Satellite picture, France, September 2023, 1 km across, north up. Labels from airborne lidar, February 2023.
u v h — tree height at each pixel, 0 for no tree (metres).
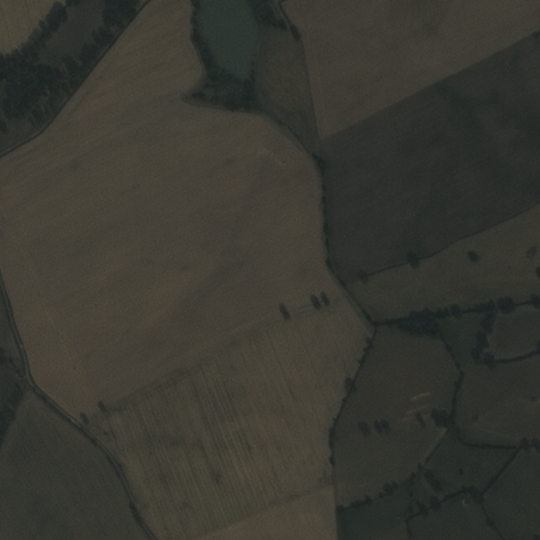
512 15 0
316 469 0
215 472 0
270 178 0
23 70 18
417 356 0
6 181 0
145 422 0
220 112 0
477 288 0
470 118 0
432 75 0
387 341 0
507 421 0
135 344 0
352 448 0
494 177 0
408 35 0
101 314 0
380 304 0
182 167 0
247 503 0
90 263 0
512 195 0
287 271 0
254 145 0
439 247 0
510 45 0
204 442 0
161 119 0
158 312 0
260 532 0
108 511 0
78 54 0
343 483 0
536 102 0
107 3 18
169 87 0
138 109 0
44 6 0
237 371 0
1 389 0
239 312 0
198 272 0
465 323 0
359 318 0
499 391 0
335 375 0
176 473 0
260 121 0
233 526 0
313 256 0
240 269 0
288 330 0
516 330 0
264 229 0
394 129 0
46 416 0
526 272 0
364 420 0
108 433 0
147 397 0
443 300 0
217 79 10
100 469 0
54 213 0
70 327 0
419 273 0
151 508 0
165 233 0
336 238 0
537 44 0
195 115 0
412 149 0
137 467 0
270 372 0
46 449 0
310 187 0
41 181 0
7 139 0
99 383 0
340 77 0
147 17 0
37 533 0
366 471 0
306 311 0
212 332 0
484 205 0
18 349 0
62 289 0
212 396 0
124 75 0
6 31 0
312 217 0
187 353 0
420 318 14
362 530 0
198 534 0
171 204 0
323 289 0
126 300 0
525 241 0
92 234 0
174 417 0
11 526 0
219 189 0
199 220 0
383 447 0
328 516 0
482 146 0
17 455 0
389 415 0
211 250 0
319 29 0
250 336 0
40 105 0
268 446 0
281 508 0
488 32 0
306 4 0
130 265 0
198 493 0
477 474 0
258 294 0
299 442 0
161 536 0
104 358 0
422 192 0
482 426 0
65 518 0
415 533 0
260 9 19
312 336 0
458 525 0
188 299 0
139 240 0
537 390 0
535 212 0
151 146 0
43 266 0
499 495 0
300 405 0
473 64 0
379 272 0
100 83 0
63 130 0
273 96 0
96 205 0
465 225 0
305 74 0
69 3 9
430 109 0
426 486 0
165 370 0
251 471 0
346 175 0
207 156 0
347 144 0
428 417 0
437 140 0
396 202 0
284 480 0
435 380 0
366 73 0
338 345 0
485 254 0
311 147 0
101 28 0
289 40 0
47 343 0
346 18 0
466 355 0
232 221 0
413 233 0
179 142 0
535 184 0
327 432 0
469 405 0
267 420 0
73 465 0
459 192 0
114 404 0
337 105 0
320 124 0
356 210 0
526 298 0
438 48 0
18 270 0
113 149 0
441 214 0
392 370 0
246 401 0
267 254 0
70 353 0
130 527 0
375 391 0
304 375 0
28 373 0
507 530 0
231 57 0
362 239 0
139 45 0
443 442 0
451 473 0
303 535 0
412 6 0
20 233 0
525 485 0
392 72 0
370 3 0
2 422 15
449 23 0
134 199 0
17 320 0
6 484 0
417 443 0
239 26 0
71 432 0
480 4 0
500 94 0
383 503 0
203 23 0
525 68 0
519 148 0
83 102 0
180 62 0
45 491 0
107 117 0
